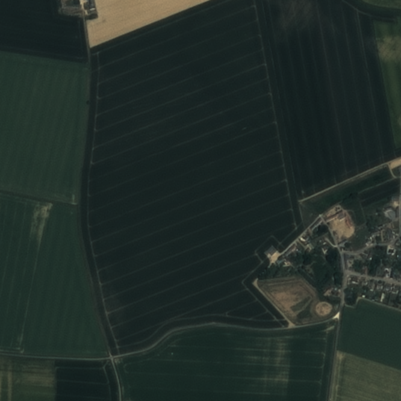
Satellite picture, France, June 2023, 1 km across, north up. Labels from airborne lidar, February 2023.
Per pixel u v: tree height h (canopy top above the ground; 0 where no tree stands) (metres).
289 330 0
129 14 0
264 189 0
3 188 0
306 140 0
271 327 0
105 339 0
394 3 0
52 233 0
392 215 0
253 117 0
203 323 0
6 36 0
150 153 0
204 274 0
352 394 0
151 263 0
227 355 0
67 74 0
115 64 0
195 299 0
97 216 0
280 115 0
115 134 0
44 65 0
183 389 0
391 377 0
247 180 0
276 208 0
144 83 0
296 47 0
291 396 0
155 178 0
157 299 0
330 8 0
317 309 0
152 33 0
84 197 0
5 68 0
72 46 0
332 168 0
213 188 0
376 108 0
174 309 0
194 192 0
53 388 0
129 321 0
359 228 0
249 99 0
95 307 0
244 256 0
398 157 0
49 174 0
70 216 0
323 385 0
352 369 0
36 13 0
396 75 0
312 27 0
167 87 0
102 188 0
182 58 0
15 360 0
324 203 0
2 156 0
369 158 0
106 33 0
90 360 0
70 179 0
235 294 0
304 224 0
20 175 0
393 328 0
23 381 0
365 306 0
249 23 0
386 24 0
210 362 0
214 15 0
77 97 0
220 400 0
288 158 0
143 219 0
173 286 0
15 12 0
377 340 0
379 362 0
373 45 0
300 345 0
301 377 0
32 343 0
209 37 0
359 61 0
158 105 0
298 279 0
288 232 0
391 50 0
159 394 0
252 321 0
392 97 0
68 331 0
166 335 0
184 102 0
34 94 0
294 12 0
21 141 0
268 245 0
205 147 0
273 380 0
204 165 0
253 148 0
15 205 0
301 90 0
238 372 0
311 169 0
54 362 0
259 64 0
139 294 0
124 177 0
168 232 0
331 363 0
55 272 0
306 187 0
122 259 0
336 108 0
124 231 0
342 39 0
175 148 0
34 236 0
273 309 0
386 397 0
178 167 0
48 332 0
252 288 0
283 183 0
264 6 0
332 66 0
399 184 0
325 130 0
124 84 0
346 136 0
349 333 0
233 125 0
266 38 0
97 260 0
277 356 0
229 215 0
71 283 0
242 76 0
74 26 0
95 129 0
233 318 0
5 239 0
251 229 0
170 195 0
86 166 0
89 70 0
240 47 0
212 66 0
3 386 0
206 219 0
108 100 0
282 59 0
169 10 0
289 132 0
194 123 0
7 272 0
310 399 0
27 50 0
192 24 0
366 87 0
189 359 0
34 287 0
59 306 0
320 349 0
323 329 0
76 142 0
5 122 0
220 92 0
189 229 0
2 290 0
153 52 0
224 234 0
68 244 0
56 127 0
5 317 0
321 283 9
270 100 0
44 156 0
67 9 0
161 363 0
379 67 0
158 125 0
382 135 0
